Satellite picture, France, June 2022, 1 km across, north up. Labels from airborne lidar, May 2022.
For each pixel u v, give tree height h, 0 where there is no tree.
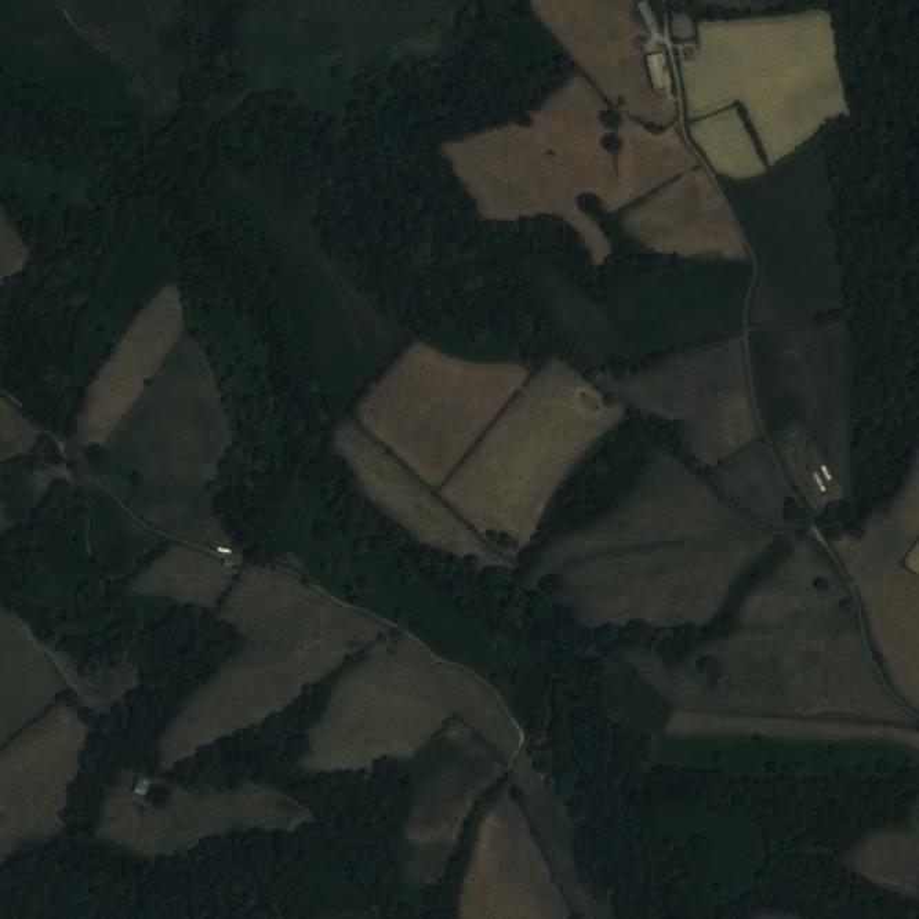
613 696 0
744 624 0
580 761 20
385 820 8
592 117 0
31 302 19
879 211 8
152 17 0
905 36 8
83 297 13
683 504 0
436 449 0
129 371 0
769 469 0
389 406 0
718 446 0
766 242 0
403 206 14
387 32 0
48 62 0
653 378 0
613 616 0
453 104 12
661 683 0
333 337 0
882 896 11
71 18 0
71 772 0
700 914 0
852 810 16
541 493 0
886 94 20
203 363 0
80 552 0
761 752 0
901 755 0
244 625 0
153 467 0
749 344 0
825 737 0
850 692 0
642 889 25
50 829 0
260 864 27
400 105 12
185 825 0
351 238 22
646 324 0
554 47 0
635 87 0
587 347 0
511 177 0
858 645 0
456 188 23
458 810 0
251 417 10
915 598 0
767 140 0
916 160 26
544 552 11
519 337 22
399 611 11
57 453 9
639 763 8
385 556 16
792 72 0
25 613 15
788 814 14
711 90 0
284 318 26
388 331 0
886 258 19
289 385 22
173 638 24
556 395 0
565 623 20
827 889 23
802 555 0
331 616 0
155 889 31
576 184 0
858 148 18
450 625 0
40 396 17
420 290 17
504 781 11
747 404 0
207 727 0
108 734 14
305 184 7
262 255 17
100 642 6
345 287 0
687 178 0
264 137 15
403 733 0
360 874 23
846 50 14
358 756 0
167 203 11
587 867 11
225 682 0
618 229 0
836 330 0
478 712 0
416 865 0
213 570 0
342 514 11
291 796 6
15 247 0
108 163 11
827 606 0
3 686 0
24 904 16
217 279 14
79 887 22
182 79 6
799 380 0
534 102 17
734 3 0
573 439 0
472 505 0
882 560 0
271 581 0
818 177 0
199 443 0
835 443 0
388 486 0
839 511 17
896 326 9
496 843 0
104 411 0
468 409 0
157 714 15
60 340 25
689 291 0
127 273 0
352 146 17
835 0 12
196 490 0
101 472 0
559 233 18
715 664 13
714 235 0
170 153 12
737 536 0
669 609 0
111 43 0
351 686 0
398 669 0
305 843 28
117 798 0
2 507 0
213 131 6
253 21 0
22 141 10
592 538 0
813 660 0
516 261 25
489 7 17
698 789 17
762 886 8
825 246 0
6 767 0
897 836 0
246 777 18
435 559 15
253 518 23
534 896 0
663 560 0
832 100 0
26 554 25
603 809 16
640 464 14
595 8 0
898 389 10
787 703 0
